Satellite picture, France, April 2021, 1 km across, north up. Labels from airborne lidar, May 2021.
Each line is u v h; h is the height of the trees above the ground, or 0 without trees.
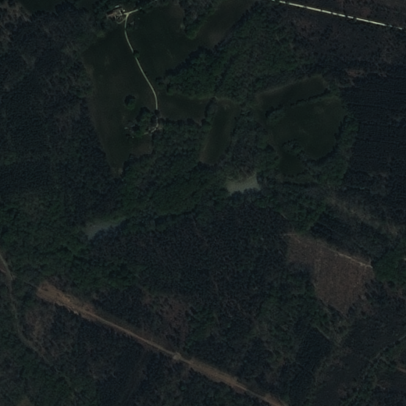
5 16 11
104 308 19
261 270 19
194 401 23
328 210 18
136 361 15
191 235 24
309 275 19
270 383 6
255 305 20
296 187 12
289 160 0
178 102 0
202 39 0
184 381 10
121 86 0
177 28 0
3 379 9
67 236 28
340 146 16
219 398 22
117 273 11
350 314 8
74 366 20
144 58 0
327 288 0
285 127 0
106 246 19
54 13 0
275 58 17
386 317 6
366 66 13
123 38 0
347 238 16
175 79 21
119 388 17
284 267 21
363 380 12
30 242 20
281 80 17
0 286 9
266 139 19
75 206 12
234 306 22
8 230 7
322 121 0
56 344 13
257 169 20
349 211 21
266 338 20
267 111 0
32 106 17
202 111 0
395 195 18
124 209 25
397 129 15
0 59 15
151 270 16
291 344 18
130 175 27
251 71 14
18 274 15
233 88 15
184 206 26
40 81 18
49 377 27
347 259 0
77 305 0
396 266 21
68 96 12
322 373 10
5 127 16
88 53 0
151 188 21
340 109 0
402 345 13
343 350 8
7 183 20
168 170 27
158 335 17
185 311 10
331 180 22
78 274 19
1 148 22
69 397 19
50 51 14
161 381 22
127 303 22
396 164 17
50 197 15
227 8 0
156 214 17
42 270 22
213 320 22
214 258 22
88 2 0
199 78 26
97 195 23
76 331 14
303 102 6
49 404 16
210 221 21
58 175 22
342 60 7
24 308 20
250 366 20
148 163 15
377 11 10
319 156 0
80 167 11
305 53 12
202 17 22
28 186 20
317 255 0
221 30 0
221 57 23
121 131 0
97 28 22
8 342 20
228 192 18
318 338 18
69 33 24
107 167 22
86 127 21
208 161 0
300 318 13
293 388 18
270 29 15
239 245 22
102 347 20
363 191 16
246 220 22
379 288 19
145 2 14
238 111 0
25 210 9
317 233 19
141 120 19
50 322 11
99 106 0
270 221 22
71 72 17
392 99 14
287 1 12
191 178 26
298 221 19
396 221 15
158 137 16
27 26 18
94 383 14
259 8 16
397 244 15
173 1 11
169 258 21
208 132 12
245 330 23
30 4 0
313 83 0
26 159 14
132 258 23
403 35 12
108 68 0
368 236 16
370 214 21
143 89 0
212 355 17
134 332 0
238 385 0
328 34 8
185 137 15
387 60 9
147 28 0
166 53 0
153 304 9
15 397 18
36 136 19
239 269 19
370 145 17
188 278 19
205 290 22
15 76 14
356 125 18
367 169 16
